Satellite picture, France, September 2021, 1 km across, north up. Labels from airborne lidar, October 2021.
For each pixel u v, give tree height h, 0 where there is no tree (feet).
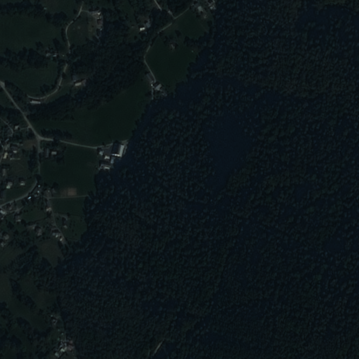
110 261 94
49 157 29
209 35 26
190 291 74
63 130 0
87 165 0
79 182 0
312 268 112
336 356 84
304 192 70
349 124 47
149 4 28
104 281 75
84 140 0
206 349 70
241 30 91
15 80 0
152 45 24
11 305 0
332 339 111
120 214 81
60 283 93
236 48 93
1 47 0
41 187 42
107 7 0
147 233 80
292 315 95
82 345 62
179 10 79
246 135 73
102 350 74
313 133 65
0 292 0
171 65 0
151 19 45
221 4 24
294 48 70
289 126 95
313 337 102
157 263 79
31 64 81
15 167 0
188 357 34
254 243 76
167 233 33
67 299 57
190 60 0
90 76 73
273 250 85
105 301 75
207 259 72
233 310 81
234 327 52
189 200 98
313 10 97
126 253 79
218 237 90
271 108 115
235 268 56
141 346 71
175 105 48
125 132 0
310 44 98
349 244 96
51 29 0
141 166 62
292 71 114
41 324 0
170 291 78
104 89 70
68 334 28
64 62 25
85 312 71
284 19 52
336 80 70
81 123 0
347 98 94
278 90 93
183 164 71
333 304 102
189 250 63
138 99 0
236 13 78
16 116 72
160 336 79
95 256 75
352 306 106
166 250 45
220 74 56
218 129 80
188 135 82
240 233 65
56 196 0
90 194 0
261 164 94
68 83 0
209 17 0
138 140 72
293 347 95
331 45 105
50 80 0
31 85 0
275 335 98
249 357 77
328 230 105
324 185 108
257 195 89
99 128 0
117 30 82
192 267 64
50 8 0
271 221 91
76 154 0
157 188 86
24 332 62
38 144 0
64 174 0
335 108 93
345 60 83
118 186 44
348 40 82
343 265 94
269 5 59
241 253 76
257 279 80
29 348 0
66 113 66
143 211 73
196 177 60
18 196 0
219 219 94
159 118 131
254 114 74
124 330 63
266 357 83
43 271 86
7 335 50
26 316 0
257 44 76
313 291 91
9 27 0
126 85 86
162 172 68
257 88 110
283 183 91
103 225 59
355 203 82
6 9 40
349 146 86
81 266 79
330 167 104
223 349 75
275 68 72
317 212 90
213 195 67
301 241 97
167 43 34
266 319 73
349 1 84
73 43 0
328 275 92
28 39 0
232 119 54
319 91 95
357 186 104
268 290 94
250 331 70
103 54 80
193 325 61
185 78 0
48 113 69
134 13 22
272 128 97
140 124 0
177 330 65
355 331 82
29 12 96
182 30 0
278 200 85
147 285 69
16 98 25
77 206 0
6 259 0
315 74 88
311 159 94
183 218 88
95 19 0
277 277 97
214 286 57
